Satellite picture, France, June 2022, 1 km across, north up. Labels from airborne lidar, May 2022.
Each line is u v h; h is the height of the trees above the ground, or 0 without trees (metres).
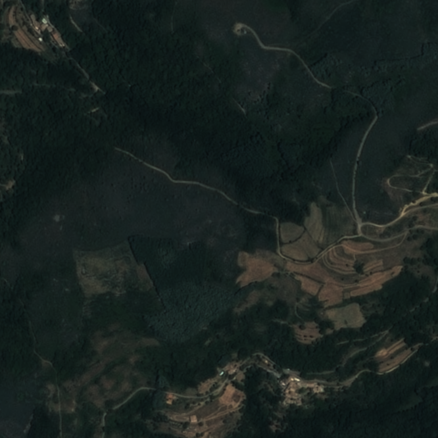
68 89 11
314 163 8
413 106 0
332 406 12
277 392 6
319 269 0
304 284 0
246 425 10
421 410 8
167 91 16
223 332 7
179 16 0
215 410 0
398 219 0
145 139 7
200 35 6
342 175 0
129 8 9
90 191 0
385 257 0
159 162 0
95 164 9
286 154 27
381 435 15
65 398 0
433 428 15
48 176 10
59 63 16
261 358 8
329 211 0
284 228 0
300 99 0
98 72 7
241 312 0
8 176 11
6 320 7
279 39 0
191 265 20
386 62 18
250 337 10
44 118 13
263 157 25
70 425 0
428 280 10
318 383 8
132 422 15
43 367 0
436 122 0
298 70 0
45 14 10
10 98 10
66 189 6
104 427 12
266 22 0
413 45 0
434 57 16
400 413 13
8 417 0
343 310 0
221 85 10
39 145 11
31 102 16
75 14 0
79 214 0
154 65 13
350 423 21
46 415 16
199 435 10
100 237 0
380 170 0
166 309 16
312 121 8
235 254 0
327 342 13
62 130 11
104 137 13
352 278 0
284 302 0
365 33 0
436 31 0
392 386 6
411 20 0
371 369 9
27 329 7
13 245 8
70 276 0
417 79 0
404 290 8
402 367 7
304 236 0
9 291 10
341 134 10
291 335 8
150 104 23
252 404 21
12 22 0
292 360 12
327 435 24
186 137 22
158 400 16
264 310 17
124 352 0
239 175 19
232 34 0
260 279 0
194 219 0
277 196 13
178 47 8
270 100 11
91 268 0
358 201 0
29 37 0
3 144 11
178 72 17
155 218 0
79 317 0
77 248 0
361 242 0
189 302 17
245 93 0
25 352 10
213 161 17
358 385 11
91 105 10
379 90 21
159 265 19
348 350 6
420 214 0
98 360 7
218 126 19
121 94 22
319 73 17
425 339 15
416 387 22
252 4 0
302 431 18
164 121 20
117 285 0
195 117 21
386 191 0
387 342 0
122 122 10
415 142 12
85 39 16
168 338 18
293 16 11
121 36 21
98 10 7
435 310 13
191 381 6
